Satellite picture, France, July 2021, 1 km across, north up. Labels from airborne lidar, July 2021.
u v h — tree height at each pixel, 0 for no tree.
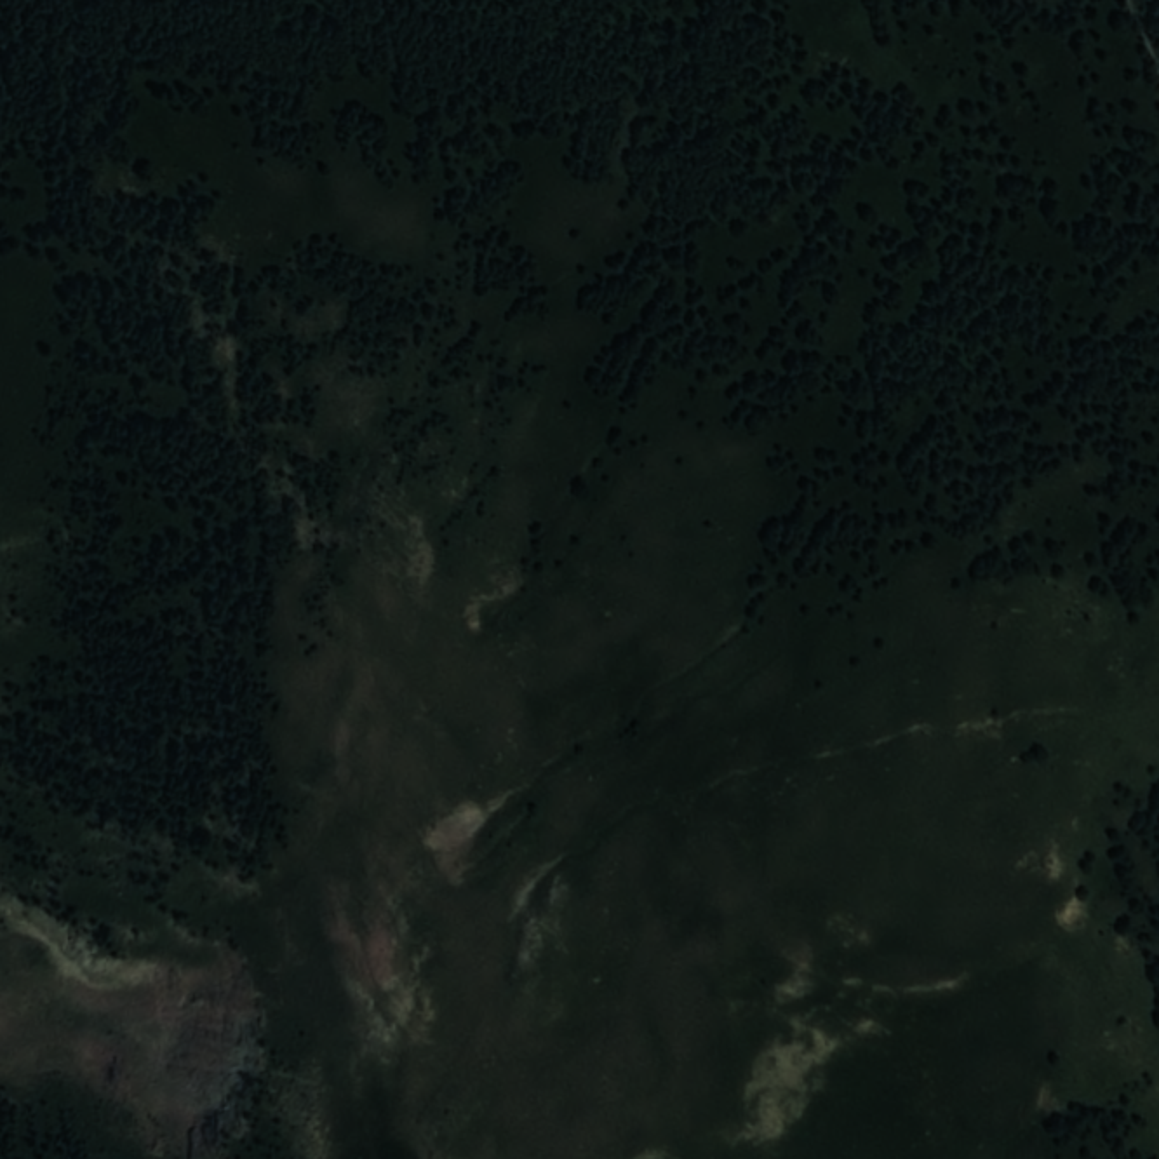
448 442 0
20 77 19
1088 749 0
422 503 0
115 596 16
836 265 21
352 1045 0
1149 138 20
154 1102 0
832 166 18
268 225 0
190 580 15
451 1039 0
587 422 0
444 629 0
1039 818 0
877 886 0
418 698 0
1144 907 13
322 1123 0
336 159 0
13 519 0
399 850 0
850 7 0
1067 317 13
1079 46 20
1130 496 0
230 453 14
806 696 0
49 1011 0
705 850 0
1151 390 15
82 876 6
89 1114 0
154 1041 0
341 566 0
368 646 0
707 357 15
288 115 17
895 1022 0
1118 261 22
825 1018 0
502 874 0
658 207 17
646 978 0
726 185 13
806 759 0
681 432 0
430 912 0
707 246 0
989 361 19
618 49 21
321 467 9
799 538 16
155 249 11
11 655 0
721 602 0
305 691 0
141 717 14
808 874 0
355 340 8
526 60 17
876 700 0
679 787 0
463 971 0
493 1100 0
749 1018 0
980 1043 0
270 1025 0
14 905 0
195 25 20
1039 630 0
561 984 0
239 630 16
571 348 0
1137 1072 0
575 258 0
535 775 0
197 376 15
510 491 0
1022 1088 0
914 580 0
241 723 9
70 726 11
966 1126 0
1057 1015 0
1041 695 0
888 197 0
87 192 9
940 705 0
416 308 12
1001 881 0
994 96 7
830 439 0
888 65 0
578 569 0
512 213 10
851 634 0
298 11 22
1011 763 0
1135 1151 10
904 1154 0
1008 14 20
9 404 0
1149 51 14
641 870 0
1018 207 14
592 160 13
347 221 0
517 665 0
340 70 18
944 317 23
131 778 9
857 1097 0
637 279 18
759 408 15
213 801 10
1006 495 16
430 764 0
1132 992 0
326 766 0
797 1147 0
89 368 20
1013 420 22
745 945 0
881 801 0
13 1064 0
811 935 0
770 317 0
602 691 0
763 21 26
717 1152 0
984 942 0
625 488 0
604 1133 0
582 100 19
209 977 0
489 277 12
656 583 0
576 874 0
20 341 0
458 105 23
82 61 7
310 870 0
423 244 0
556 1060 0
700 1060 0
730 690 0
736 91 8
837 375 13
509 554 0
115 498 8
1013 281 21
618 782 0
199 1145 0
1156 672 0
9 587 0
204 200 16
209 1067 0
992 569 21
